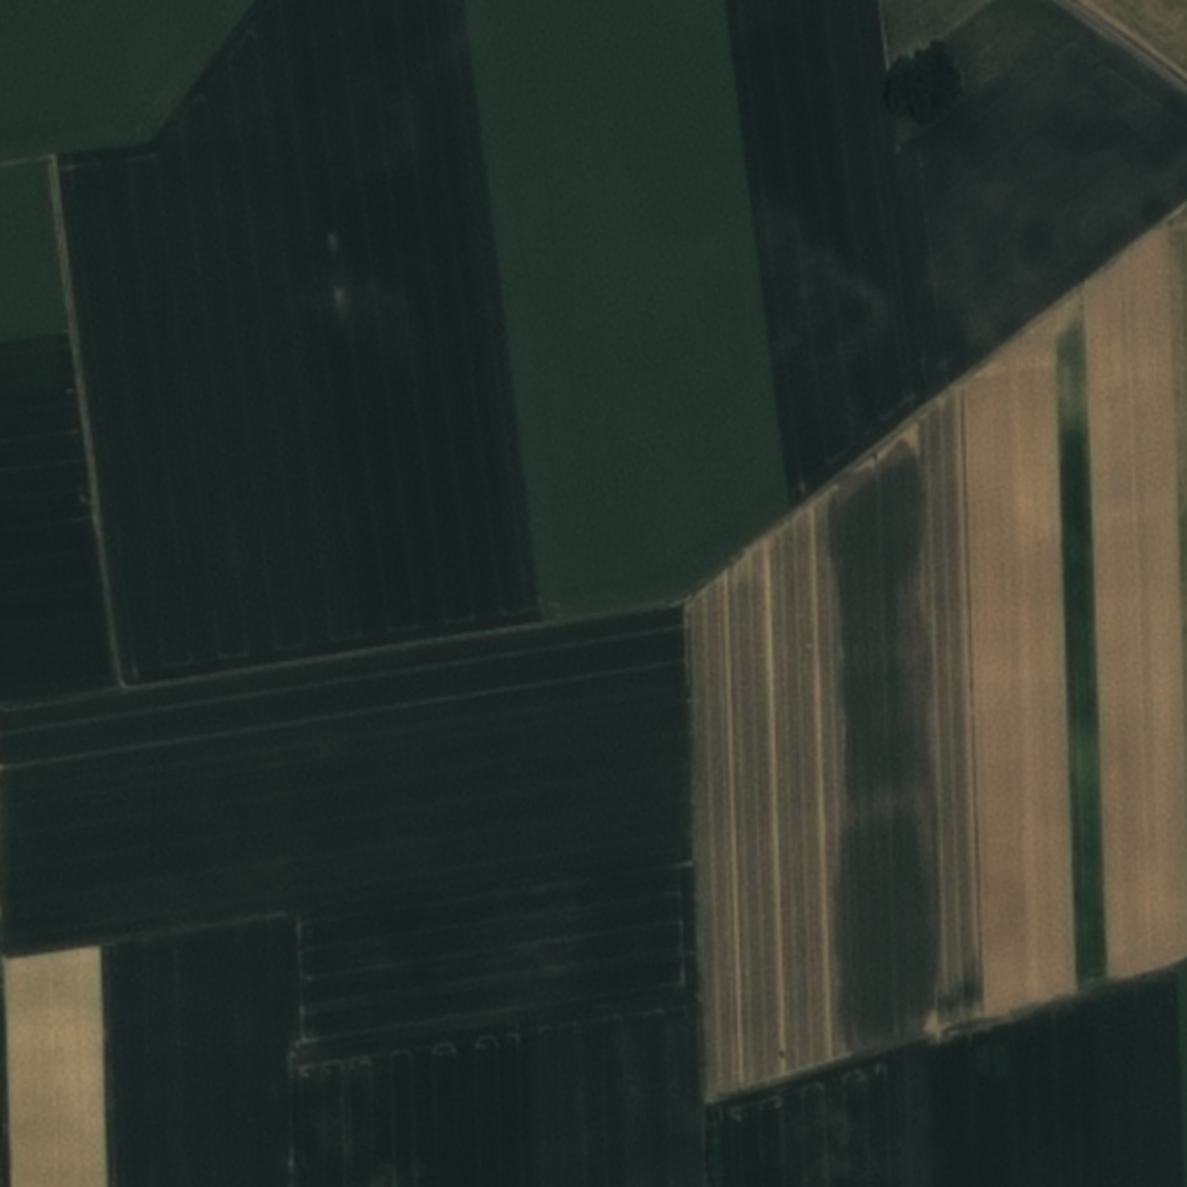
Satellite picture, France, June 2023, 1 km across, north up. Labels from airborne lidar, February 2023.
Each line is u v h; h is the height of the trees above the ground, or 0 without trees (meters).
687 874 0
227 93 0
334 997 0
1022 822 0
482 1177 0
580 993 0
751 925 0
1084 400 0
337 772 0
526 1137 0
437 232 0
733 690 0
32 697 0
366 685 0
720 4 0
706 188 0
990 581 0
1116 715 0
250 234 0
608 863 0
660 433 0
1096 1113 0
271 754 0
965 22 0
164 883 0
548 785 0
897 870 0
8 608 0
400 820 0
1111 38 0
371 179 0
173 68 0
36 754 0
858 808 0
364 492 0
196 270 0
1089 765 0
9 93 0
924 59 15
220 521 0
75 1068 0
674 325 0
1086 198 0
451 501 0
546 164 0
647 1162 0
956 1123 0
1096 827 0
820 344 0
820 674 0
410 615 0
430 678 0
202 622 0
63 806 0
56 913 0
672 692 0
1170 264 0
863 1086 0
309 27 0
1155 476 0
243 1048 0
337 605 0
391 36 0
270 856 0
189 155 0
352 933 0
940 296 0
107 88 0
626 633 0
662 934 0
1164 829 0
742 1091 0
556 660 0
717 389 0
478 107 0
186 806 0
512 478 0
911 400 0
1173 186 0
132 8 0
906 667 0
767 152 0
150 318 0
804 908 0
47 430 0
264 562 0
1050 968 0
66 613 0
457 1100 0
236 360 0
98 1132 0
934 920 0
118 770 0
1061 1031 0
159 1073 0
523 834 0
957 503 0
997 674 0
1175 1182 0
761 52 0
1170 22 0
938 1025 0
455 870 0
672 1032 0
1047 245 0
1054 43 0
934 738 0
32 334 0
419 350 0
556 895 0
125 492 0
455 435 0
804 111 0
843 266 0
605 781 0
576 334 0
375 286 0
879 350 0
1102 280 0
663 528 0
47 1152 0
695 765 0
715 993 0
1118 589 0
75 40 0
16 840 0
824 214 0
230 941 0
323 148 0
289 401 0
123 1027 0
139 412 0
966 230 0
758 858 0
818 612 0
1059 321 0
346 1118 0
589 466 0
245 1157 0
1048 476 0
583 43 0
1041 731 0
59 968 0
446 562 0
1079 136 0
